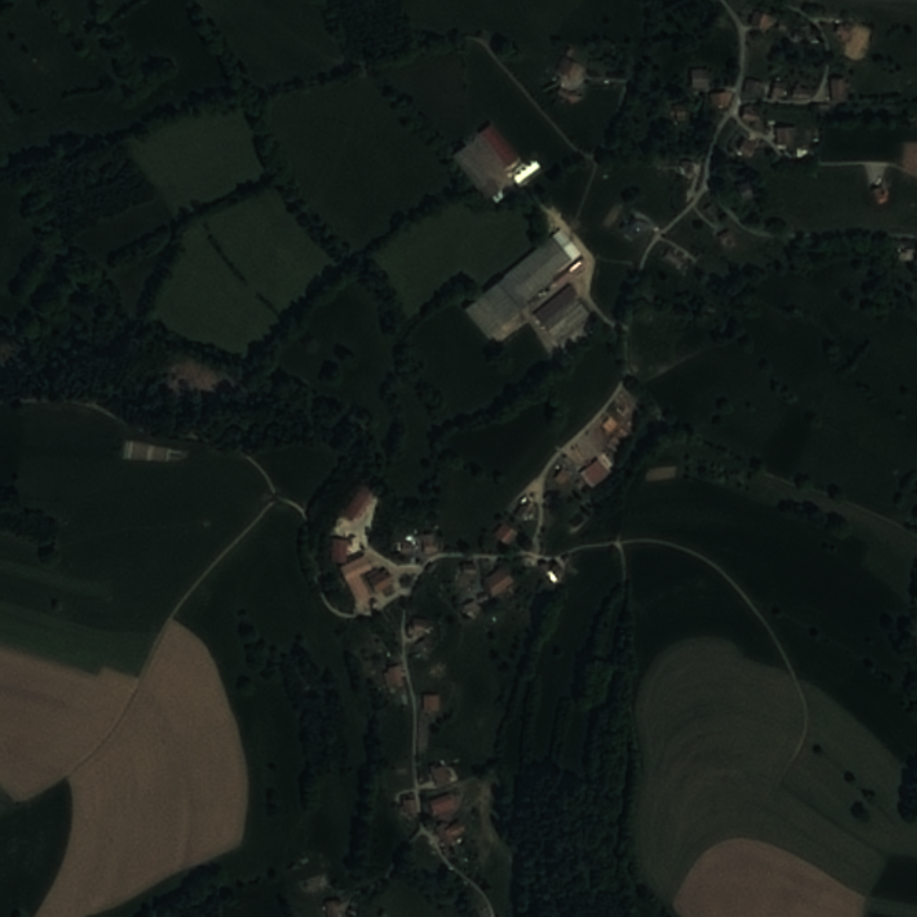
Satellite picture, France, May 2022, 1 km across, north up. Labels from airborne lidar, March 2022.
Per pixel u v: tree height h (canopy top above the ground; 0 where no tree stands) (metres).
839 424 0
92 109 0
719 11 15
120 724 0
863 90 0
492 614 19
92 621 0
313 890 0
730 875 0
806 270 12
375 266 15
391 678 0
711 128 19
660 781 0
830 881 0
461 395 0
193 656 0
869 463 0
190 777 0
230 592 0
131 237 0
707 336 0
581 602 0
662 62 0
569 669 0
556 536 0
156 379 5
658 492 0
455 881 15
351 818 0
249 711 0
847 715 0
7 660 0
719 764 0
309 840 0
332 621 0
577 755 0
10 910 0
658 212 0
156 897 0
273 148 21
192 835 0
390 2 14
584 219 0
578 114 0
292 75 0
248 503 0
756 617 0
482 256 0
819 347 0
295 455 0
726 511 0
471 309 0
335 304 0
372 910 0
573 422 0
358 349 0
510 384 0
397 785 0
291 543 0
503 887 0
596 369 0
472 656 0
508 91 0
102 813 0
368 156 0
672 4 17
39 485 0
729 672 0
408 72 0
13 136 0
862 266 16
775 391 10
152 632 0
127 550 0
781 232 19
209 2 0
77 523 0
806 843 0
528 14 0
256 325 0
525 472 0
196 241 0
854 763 0
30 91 0
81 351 31
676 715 0
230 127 0
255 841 0
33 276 22
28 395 11
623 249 0
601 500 15
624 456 12
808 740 0
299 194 16
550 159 0
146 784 0
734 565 0
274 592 0
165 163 0
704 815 0
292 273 0
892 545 0
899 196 0
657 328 0
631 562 0
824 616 0
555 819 24
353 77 17
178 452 0
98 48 0
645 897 19
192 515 0
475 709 0
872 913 0
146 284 0
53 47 0
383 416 0
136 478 0
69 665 0
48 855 0
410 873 11
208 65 0
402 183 0
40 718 0
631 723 12
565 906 22
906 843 0
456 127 0
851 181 0
